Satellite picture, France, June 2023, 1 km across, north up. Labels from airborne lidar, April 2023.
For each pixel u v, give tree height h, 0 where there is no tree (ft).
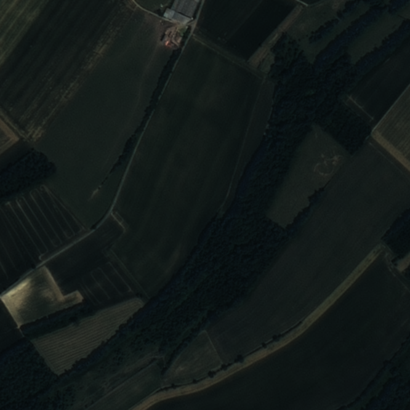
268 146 45
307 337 0
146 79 0
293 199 0
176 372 0
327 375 0
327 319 0
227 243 56
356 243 0
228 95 0
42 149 0
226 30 0
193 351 0
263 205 74
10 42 0
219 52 0
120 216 0
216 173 0
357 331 0
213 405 0
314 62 0
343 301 0
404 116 0
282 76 51
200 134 0
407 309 0
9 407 77
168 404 0
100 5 0
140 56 0
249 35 0
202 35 0
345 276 0
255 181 79
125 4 0
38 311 0
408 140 0
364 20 62
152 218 0
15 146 0
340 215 0
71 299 0
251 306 0
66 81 0
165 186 0
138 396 0
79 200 0
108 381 0
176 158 0
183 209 0
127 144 31
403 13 0
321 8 0
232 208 22
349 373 0
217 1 0
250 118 0
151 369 0
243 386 0
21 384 68
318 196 50
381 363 0
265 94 0
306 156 0
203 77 0
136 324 53
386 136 0
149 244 0
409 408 0
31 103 0
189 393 0
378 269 0
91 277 0
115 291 0
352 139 58
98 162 0
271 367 0
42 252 0
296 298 0
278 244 69
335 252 0
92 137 0
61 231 0
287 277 0
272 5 0
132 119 0
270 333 0
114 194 0
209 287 29
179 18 0
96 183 0
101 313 0
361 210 0
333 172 0
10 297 0
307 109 84
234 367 0
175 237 0
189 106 0
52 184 0
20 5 0
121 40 0
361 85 0
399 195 0
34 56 0
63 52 0
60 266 0
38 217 0
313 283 0
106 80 0
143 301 0
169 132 0
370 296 0
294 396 0
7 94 0
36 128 0
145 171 0
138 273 0
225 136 0
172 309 46
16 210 0
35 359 65
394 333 0
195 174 0
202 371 0
